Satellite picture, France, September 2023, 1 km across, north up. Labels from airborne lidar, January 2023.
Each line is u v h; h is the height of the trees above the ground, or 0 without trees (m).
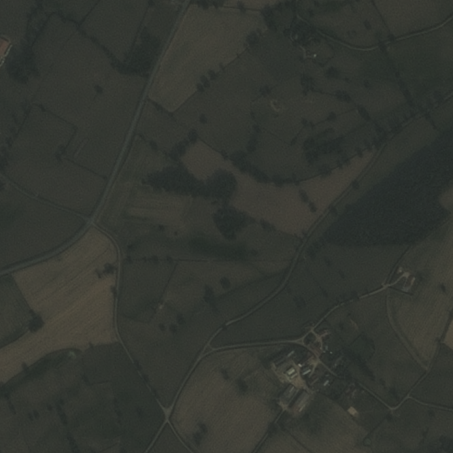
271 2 0
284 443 0
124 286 0
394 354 0
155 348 0
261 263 0
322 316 0
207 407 0
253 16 0
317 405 0
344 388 0
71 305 0
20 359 0
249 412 0
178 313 0
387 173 0
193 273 0
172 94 0
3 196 0
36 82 0
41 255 0
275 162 0
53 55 0
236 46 0
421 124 0
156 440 0
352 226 27
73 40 0
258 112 0
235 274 0
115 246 0
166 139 0
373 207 27
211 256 0
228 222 19
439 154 25
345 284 0
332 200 0
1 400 0
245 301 0
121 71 11
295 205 0
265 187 0
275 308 0
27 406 0
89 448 0
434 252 0
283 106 0
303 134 0
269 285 0
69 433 0
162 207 0
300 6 0
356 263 0
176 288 0
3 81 0
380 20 0
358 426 0
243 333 0
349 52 0
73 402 0
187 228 0
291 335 0
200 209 0
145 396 0
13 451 0
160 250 0
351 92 0
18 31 0
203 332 0
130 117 0
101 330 0
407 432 0
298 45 8
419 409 0
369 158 0
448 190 0
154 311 12
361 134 0
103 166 0
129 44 0
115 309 0
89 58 0
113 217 0
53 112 0
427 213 27
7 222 0
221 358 0
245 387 12
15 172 0
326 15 0
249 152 13
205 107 0
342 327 13
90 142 0
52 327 0
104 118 0
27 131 0
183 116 0
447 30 0
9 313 0
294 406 0
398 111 0
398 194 28
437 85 0
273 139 0
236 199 0
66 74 0
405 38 0
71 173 0
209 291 20
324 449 0
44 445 0
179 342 0
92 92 0
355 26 0
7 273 0
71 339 0
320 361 0
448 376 0
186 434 0
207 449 0
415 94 0
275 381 0
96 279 0
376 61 0
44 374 0
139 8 0
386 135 18
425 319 0
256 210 0
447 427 0
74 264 0
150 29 0
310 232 0
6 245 0
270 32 0
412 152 0
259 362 0
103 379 0
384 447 0
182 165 18
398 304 0
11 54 0
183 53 0
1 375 0
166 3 0
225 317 0
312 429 0
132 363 0
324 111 0
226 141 0
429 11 0
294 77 0
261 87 0
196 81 0
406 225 23
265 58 0
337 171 0
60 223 0
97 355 0
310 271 0
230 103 0
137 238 0
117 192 0
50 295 0
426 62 0
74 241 0
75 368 0
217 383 0
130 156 0
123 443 0
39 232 0
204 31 0
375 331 0
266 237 0
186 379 0
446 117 0
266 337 0
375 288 0
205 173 0
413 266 0
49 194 0
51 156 0
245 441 0
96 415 0
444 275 0
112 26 0
